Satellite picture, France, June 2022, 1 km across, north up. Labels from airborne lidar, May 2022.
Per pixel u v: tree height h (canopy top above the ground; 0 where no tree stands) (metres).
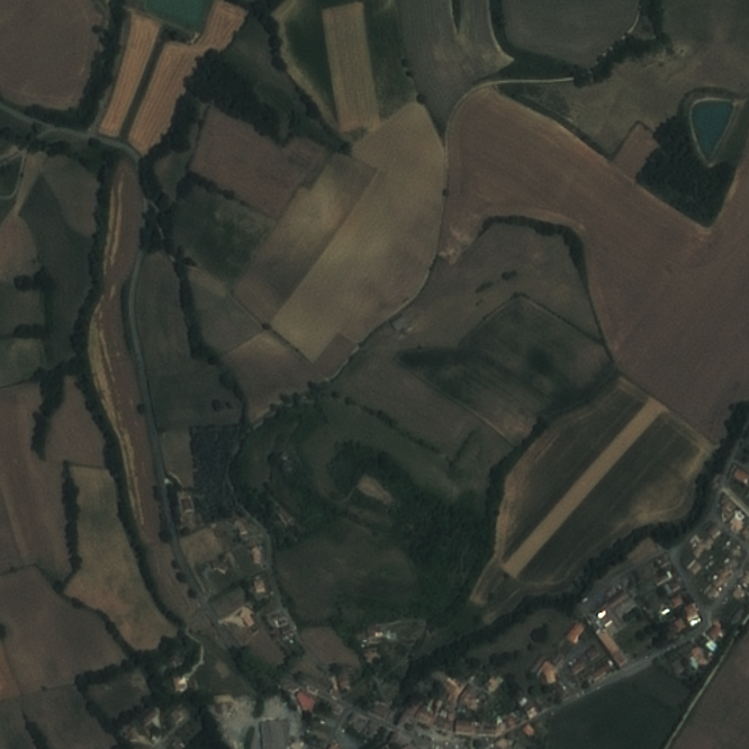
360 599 6
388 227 0
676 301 0
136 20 0
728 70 0
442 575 8
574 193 0
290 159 0
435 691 10
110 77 20
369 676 12
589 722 0
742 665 0
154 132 0
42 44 0
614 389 0
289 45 0
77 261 0
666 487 0
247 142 0
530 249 0
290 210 0
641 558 0
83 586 0
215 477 10
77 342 19
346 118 0
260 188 0
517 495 0
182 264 12
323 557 0
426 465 0
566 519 0
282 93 0
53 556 0
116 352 0
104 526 0
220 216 0
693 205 13
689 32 0
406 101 0
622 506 0
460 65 0
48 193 0
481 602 0
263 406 0
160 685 13
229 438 12
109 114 0
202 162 0
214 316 0
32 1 0
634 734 0
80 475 0
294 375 0
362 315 0
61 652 0
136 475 0
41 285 20
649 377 0
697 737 0
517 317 0
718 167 10
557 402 0
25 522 0
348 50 0
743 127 0
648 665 0
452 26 0
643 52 12
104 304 0
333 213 0
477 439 0
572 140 0
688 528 15
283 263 0
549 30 0
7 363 0
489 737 0
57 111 7
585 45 0
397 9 0
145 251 13
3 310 0
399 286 0
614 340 0
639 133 0
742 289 0
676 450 0
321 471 0
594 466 0
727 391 0
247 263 0
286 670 9
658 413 0
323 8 0
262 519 10
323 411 7
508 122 0
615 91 0
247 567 0
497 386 0
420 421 0
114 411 0
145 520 0
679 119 18
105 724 14
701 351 0
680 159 14
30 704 0
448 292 0
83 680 17
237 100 19
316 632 0
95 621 0
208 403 0
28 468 0
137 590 0
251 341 0
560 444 0
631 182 0
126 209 0
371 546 0
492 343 0
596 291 0
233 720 0
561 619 0
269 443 0
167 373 0
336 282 0
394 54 0
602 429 0
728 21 0
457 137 0
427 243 0
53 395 15
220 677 0
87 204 0
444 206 0
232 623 0
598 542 0
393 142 0
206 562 0
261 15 16
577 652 0
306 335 0
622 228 0
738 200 0
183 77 0
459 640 8
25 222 0
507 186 0
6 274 0
